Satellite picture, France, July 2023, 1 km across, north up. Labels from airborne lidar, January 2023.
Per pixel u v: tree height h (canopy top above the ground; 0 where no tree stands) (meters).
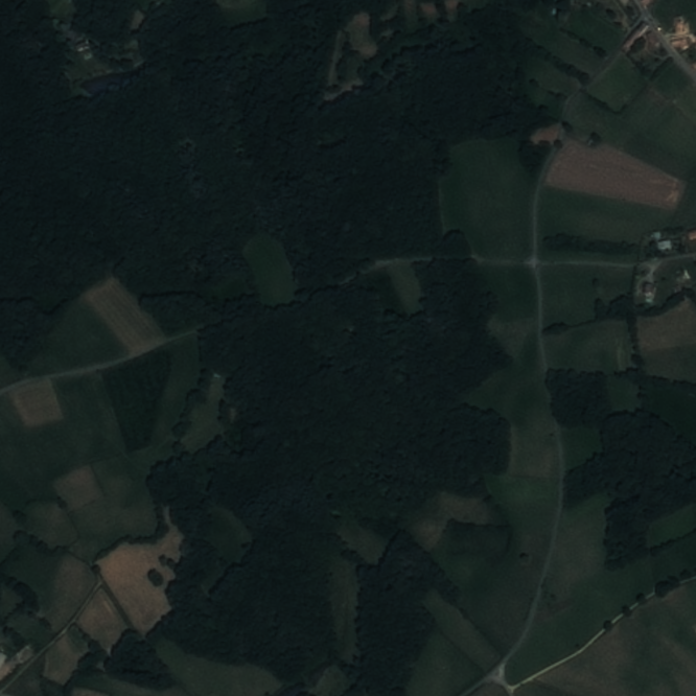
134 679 20
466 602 0
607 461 21
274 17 6
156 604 0
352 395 26
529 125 7
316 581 25
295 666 25
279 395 21
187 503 24
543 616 0
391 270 0
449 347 18
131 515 0
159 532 13
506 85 25
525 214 0
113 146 17
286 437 26
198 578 23
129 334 0
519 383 0
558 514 0
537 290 0
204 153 20
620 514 27
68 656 0
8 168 15
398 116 23
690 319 0
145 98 17
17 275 15
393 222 22
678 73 0
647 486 25
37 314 21
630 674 0
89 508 0
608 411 14
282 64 15
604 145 0
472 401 0
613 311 15
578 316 0
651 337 0
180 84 16
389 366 27
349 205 25
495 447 19
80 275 23
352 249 21
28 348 24
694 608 0
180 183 21
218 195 23
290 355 19
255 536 20
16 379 0
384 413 29
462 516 0
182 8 11
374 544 0
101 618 0
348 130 23
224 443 22
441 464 27
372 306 23
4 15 23
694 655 0
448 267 13
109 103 22
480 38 9
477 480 26
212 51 9
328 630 24
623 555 18
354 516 22
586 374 11
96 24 20
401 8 8
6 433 0
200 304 26
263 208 28
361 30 0
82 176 19
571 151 0
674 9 0
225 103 21
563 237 10
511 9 9
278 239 17
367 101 23
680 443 22
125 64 21
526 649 0
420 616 21
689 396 0
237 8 0
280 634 26
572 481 10
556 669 0
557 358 0
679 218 0
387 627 21
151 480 14
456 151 0
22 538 18
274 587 24
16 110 12
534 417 0
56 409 0
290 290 0
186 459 24
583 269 0
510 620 0
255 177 24
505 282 0
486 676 0
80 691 0
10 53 12
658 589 13
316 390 21
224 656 18
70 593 0
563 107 0
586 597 0
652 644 0
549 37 0
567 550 0
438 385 23
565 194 0
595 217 0
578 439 0
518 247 0
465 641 0
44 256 21
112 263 23
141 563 0
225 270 23
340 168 20
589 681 0
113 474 0
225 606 27
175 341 0
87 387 0
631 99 0
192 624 28
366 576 22
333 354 25
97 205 20
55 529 0
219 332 18
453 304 19
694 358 0
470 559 0
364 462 30
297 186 20
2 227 21
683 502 21
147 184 14
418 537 0
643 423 24
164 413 0
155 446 0
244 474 27
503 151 0
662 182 0
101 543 0
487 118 18
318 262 19
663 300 0
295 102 15
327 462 29
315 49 7
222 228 20
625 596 0
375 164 21
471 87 22
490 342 14
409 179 23
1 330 20
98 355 0
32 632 0
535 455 0
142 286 23
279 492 36
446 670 0
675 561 0
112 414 0
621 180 0
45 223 21
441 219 18
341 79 15
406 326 23
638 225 0
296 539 27
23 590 22
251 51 14
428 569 23
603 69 0
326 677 0
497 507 7
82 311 0
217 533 0
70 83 17
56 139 13
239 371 22
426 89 22
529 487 0
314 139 17
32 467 0
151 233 27
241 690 0
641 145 0
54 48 21
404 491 27
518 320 0
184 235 27
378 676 23
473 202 0
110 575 0
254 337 21
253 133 8
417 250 19
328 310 28
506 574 0
